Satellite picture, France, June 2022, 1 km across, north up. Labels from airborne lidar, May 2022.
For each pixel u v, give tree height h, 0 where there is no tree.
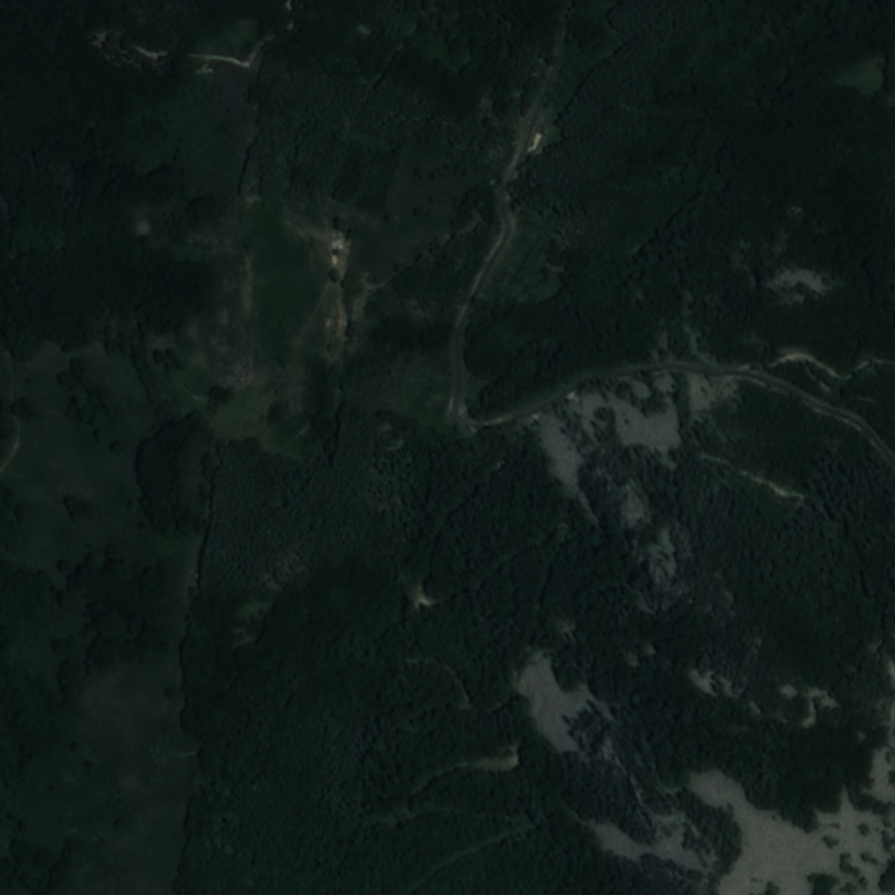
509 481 13
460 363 0
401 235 0
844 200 20
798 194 20
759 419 6
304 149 19
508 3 20
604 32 15
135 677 0
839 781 13
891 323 10
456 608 16
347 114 23
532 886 7
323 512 26
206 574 20
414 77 20
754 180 20
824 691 13
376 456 17
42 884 12
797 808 10
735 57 7
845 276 8
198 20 9
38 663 0
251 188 8
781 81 7
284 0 12
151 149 0
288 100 16
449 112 17
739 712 21
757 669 8
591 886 15
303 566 10
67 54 15
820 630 16
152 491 22
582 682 22
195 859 10
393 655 24
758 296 8
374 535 22
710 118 10
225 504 17
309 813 16
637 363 9
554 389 9
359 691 29
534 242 0
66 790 0
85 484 0
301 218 0
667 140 8
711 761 25
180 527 12
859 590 24
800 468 7
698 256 8
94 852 0
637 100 20
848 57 21
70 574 10
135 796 0
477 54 16
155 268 20
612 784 12
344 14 20
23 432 0
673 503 12
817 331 7
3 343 12
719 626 9
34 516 0
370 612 26
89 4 17
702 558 15
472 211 13
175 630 0
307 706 17
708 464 11
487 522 13
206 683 15
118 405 0
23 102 25
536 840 11
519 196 19
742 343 7
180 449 6
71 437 0
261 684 24
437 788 16
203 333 0
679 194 18
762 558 17
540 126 0
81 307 14
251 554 23
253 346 0
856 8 26
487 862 7
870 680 11
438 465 19
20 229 17
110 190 15
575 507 14
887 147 16
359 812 23
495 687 23
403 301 6
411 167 0
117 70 20
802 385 12
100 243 14
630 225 12
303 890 12
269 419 6
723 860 6
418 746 14
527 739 17
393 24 23
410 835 17
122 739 0
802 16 21
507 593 20
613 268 20
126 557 0
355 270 0
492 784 10
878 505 14
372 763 19
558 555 6
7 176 16
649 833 11
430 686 14
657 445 0
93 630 9
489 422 18
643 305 10
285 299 0
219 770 16
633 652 18
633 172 16
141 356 10
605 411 9
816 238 10
